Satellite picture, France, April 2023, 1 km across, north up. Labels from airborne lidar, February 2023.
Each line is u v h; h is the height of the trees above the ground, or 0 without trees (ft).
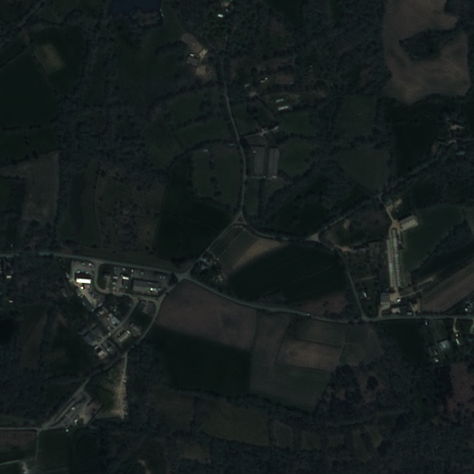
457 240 35
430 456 39
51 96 0
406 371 45
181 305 0
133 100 0
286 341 0
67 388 0
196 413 22
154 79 0
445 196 18
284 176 41
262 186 37
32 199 0
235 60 54
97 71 0
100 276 0
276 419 24
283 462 21
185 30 31
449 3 34
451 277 0
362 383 0
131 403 20
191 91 29
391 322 0
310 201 22
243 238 0
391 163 38
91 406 0
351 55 26
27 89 0
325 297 0
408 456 40
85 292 0
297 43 21
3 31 23
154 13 24
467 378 0
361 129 0
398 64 0
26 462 0
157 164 0
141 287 0
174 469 33
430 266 0
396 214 0
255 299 25
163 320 0
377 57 29
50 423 0
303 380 0
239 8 36
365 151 0
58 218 44
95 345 0
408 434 35
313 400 0
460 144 34
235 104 49
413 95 0
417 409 45
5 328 0
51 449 0
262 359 0
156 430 41
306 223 0
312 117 40
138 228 0
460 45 0
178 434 39
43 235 29
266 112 0
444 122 51
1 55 0
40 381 47
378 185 0
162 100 34
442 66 0
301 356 0
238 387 0
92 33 28
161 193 0
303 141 27
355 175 0
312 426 40
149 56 0
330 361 0
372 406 31
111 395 0
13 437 0
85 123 21
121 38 0
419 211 0
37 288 39
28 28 56
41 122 0
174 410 0
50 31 0
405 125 0
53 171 0
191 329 0
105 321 0
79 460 0
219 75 25
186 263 34
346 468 49
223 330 0
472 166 44
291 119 0
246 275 0
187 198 0
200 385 0
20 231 53
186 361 0
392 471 30
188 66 0
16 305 28
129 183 38
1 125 0
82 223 0
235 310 0
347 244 0
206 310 0
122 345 0
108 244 22
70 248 25
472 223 0
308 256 0
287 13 0
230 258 0
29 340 0
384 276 0
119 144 29
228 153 0
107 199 0
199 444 36
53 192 0
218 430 0
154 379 31
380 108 41
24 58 0
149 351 34
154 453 0
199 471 45
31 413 35
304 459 31
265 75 27
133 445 31
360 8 46
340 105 26
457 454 34
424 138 0
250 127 0
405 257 0
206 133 0
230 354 0
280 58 32
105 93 21
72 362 0
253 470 41
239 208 22
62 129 28
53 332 33
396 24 0
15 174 0
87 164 35
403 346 0
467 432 53
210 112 35
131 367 32
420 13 0
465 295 0
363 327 27
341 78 20
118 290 0
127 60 0
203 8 49
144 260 0
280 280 0
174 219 0
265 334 0
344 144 0
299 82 40
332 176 42
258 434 0
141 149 27
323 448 22
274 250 0
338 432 45
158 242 0
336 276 0
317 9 40
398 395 38
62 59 0
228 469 40
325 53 27
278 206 22
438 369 24
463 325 23
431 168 47
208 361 0
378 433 26
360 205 29
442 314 24
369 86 24
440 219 0
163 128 0
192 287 0
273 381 0
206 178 0
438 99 34
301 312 0
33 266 28
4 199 0
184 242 0
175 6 23
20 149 0
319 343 0
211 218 0
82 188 0
